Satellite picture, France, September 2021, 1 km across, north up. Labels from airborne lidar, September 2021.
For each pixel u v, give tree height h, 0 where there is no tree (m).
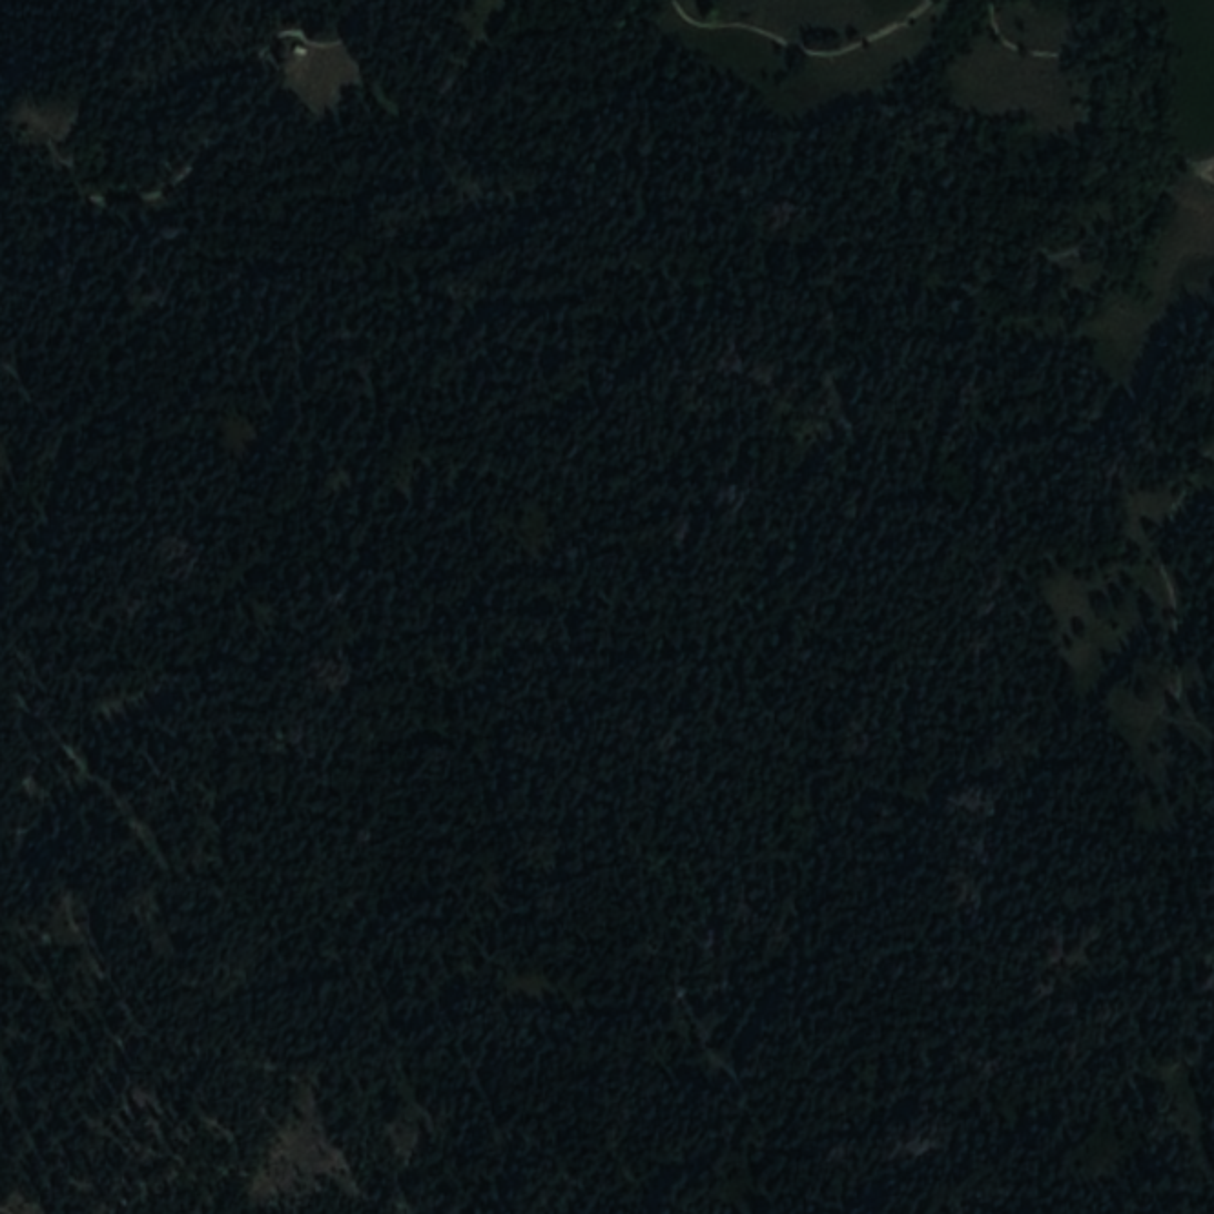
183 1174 9
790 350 28
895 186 15
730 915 31
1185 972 26
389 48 29
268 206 16
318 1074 28
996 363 20
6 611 31
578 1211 16
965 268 16
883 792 10
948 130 21
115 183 7
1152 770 0
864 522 14
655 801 16
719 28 0
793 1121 21
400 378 9
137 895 23
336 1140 18
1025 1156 20
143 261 25
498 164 8
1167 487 19
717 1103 30
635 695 5
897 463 31
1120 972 6
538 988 0
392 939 20
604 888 19
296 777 29
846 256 24
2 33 21
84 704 8
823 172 20
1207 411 16
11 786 22
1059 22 0
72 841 20
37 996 8
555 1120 13
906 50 0
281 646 8
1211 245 0
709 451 9
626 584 32
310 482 22
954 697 29
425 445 20
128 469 10
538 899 29
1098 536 19
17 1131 28
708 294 6
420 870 24
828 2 0
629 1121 14
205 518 11
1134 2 14
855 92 0
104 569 29
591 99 24
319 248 13
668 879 12
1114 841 14
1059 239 22
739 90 20
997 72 0
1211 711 15
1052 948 26
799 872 6
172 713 26
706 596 29
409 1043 28
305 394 12
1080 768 21
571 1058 23
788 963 16
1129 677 20
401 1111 20
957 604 24
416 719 10
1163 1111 26
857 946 20
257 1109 17
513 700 32
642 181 28
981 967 19
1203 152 0
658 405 7
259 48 8
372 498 28
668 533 33
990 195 14
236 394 13
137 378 20
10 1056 9
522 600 7
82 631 19
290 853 25
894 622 24
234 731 9
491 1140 21
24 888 25
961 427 25
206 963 17
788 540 14
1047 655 17
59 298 29
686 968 14
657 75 9
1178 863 14
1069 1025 29
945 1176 29
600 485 20
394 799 18
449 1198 17
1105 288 9
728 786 22
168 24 22
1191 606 8
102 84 17
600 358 10
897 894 28
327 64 0
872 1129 14
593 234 29
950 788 10
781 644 11
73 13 22
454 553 28
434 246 11
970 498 14
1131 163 22
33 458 20
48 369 12
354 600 34
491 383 35
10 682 27
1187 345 22
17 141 8
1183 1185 26
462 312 16
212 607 27
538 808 29
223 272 13
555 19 20
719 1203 13
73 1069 8
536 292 35
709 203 20
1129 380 0
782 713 24
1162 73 14
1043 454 25
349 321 11
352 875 24
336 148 22
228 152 22
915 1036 19
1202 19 0
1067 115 0
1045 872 28
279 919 26
